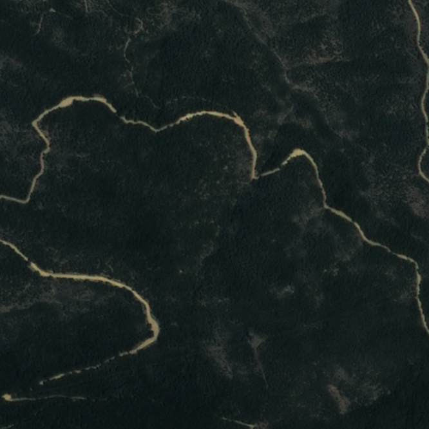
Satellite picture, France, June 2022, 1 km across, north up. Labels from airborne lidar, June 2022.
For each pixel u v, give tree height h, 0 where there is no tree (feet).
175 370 26
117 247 37
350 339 27
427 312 25
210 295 20
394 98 22
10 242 21
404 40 23
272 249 34
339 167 26
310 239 25
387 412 27
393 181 31
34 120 21
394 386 36
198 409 50
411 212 21
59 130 31
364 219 23
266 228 25
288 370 23
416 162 26
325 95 24
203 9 45
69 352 35
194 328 32
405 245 32
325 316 25
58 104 23
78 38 24
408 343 27
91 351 29
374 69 32
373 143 18
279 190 22
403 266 25
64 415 43
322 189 44
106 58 23
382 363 23
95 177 31
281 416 30
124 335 30
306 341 22
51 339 23
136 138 23
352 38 25
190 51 29
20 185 26
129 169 22
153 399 25
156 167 26
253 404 27
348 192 43
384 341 31
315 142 23
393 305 19
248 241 35
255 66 24
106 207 22
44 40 17
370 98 20
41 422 48
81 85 23
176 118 25
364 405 34
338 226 27
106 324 32
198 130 22
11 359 44
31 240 21
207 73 24
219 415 38
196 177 20
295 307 17
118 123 28
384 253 20
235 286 41
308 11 19
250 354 20
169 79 30
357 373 20
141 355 35
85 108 20
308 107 20
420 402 32
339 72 21
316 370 19
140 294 31
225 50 31
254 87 21
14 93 23
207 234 28
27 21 25
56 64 31
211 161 26
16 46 31
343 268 22
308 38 25
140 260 21
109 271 23
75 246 18
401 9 22
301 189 31
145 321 28
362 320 31
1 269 28
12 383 50
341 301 36
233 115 28
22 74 24
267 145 32
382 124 26
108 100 21
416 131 23
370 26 25
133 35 27
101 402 41
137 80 19
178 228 21
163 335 32
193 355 27
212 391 43
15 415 26
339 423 19
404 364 26
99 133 19
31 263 34
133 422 63
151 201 24
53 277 24
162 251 30
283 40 30
